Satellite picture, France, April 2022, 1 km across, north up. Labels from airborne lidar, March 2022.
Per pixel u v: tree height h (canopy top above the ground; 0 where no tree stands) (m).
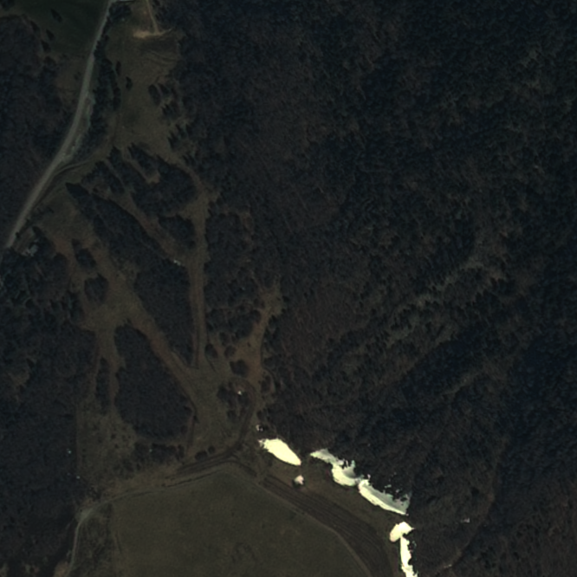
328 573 0
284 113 17
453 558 13
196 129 10
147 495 0
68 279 9
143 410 10
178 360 0
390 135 23
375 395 15
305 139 19
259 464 0
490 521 12
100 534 0
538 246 23
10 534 8
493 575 11
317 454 0
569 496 15
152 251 10
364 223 10
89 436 0
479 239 9
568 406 7
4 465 8
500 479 15
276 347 8
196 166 7
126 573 0
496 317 13
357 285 14
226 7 18
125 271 0
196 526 0
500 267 26
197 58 10
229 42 20
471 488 17
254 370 0
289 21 16
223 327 8
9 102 18
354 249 18
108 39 10
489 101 39
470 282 25
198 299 0
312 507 0
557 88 31
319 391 10
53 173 0
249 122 12
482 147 20
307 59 21
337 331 20
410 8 27
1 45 19
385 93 13
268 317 0
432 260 24
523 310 28
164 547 0
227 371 0
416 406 7
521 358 15
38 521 0
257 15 21
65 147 0
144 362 11
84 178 9
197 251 0
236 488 0
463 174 20
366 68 30
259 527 0
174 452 8
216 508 0
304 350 14
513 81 22
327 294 16
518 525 7
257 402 0
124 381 11
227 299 10
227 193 9
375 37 34
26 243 0
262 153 14
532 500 18
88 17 0
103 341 0
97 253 0
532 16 19
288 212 16
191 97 9
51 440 11
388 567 0
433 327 19
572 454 17
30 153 13
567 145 32
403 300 14
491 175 16
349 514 0
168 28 0
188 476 0
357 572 0
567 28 34
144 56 0
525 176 29
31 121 20
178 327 10
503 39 26
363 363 11
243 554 0
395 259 21
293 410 9
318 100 14
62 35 0
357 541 0
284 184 18
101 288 11
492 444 18
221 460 0
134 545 0
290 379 11
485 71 13
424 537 8
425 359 15
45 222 0
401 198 19
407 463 10
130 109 0
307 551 0
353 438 9
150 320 0
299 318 10
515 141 26
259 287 9
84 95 0
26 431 12
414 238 26
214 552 0
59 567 0
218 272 10
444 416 20
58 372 11
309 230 22
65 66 10
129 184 13
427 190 15
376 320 22
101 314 0
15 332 17
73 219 0
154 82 0
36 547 6
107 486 0
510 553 12
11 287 18
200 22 15
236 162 12
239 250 11
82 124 0
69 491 9
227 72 18
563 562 20
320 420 15
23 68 20
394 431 16
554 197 24
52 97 19
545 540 17
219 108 10
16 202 23
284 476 0
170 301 12
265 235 11
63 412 11
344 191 17
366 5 28
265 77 12
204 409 0
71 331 8
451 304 14
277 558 0
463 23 16
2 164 21
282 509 0
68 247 0
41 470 9
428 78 29
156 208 14
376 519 0
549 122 23
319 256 15
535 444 23
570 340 18
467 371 7
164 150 0
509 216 23
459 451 19
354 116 24
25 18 11
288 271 9
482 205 32
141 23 0
